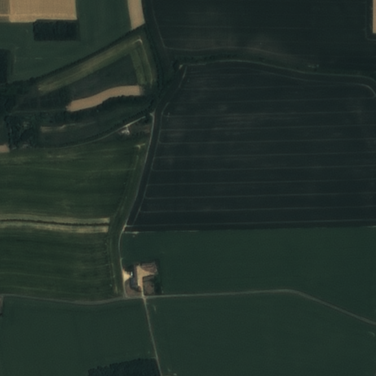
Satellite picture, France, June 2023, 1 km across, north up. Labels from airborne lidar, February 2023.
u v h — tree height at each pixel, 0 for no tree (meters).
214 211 0
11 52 0
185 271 0
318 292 0
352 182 0
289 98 0
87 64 0
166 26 0
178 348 0
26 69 0
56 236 0
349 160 0
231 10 0
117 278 0
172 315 0
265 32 0
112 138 0
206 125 0
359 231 0
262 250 0
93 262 0
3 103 17
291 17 0
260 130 0
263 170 0
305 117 0
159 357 0
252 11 0
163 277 0
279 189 0
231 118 0
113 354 0
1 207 0
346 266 0
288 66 0
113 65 0
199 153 0
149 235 0
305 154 0
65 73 0
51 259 0
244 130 0
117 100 14
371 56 0
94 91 0
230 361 0
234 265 0
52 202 0
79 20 0
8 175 0
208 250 0
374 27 0
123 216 0
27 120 0
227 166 0
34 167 0
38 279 0
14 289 0
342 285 0
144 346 0
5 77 13
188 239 0
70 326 0
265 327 0
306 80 0
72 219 0
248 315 0
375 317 0
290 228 0
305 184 0
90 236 0
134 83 0
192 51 0
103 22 0
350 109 0
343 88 0
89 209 0
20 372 0
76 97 0
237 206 0
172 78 0
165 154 0
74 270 0
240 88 0
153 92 0
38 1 0
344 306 0
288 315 0
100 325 0
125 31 0
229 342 0
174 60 0
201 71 0
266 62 0
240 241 0
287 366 0
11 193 0
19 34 0
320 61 0
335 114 0
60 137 0
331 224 0
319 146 0
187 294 0
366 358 0
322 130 0
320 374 0
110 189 0
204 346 0
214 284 0
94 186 0
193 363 0
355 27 0
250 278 0
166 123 0
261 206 0
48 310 0
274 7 0
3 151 0
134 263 0
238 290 0
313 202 0
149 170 0
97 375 16
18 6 0
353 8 0
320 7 0
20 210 0
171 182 0
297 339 0
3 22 0
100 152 0
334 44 0
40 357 0
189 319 0
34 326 0
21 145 17
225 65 0
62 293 0
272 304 0
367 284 0
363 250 0
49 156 0
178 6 0
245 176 0
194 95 0
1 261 0
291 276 0
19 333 0
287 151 0
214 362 0
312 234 0
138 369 20
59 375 0
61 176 0
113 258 0
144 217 0
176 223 0
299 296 0
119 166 0
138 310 0
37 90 0
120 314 0
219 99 0
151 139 0
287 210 0
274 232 0
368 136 0
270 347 0
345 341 0
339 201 0
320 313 0
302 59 0
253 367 0
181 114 0
